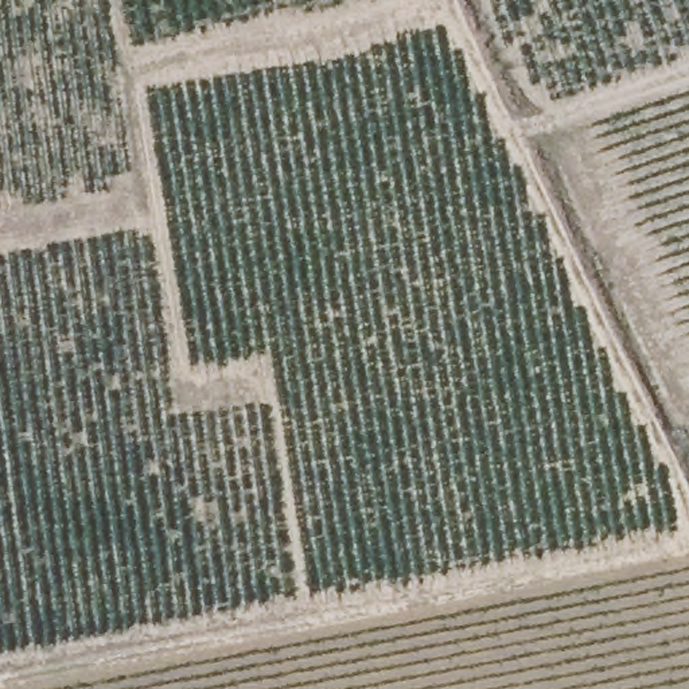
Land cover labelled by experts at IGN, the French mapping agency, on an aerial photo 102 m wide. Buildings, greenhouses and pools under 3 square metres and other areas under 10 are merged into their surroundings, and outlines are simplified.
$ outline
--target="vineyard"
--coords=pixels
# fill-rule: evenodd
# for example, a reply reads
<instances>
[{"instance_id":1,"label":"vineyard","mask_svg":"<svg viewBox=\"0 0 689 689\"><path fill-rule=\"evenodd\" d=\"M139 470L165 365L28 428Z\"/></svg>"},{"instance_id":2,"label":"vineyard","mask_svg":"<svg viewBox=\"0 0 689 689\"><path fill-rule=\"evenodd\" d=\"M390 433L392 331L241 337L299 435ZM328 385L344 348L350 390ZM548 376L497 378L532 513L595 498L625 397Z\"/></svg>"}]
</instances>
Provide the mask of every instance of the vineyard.
<instances>
[{"instance_id":1,"label":"vineyard","mask_svg":"<svg viewBox=\"0 0 689 689\"><path fill-rule=\"evenodd\" d=\"M326 635L307 635L275 646L250 646L213 657L167 662L159 667L43 689L689 689L689 565L603 579L595 584L554 589L544 595L463 606L455 611L401 622L379 622Z\"/></svg>"},{"instance_id":2,"label":"vineyard","mask_svg":"<svg viewBox=\"0 0 689 689\"><path fill-rule=\"evenodd\" d=\"M530 102L528 94L519 89L511 70L528 67L530 81L546 86L549 97L557 100L576 97L595 86L619 83L627 70L638 70L646 65L673 65L689 46L689 0L463 0L463 8L474 24L474 32L479 35L479 43L498 81L509 116L517 118L541 113L541 108Z\"/></svg>"},{"instance_id":3,"label":"vineyard","mask_svg":"<svg viewBox=\"0 0 689 689\"><path fill-rule=\"evenodd\" d=\"M624 538L624 533L646 528L676 533L678 522L667 466L654 460L646 428L632 425L627 396L614 388L606 347L592 345L587 310L576 307L571 299L568 272L563 258L552 253L546 221L541 213L530 213L522 170L509 161L506 143L501 137L493 137L484 94L471 92L463 51L449 48L444 27L417 32L409 30L390 43L374 43L363 54L350 54L331 62L261 67L218 78L180 81L170 86L153 86L148 75L140 75L135 81L126 65L135 59L143 43L172 40L194 30L207 32L213 22L250 22L272 11L328 11L342 5L342 0L0 0L0 191L16 191L27 205L67 199L73 172L83 178L86 191L110 191L116 175L132 170L126 132L135 132L140 170L148 183L151 205L148 213L135 215L135 231L110 231L102 237L51 242L40 250L13 250L0 256L0 651L54 646L57 641L121 632L132 624L191 619L213 611L215 603L218 611L234 611L248 603L266 603L275 595L293 597L296 592L307 589L361 592L369 581L382 579L409 584L409 576L471 571L490 563L503 563L514 557L517 549L522 549L525 557L544 557L549 552L565 549L592 549L595 538Z\"/></svg>"},{"instance_id":4,"label":"vineyard","mask_svg":"<svg viewBox=\"0 0 689 689\"><path fill-rule=\"evenodd\" d=\"M608 310L608 318L622 339L622 347L689 482L689 89L560 129L530 137L528 145L536 153L536 159L541 175L549 183L552 199L563 213L571 242L579 250L581 264Z\"/></svg>"}]
</instances>

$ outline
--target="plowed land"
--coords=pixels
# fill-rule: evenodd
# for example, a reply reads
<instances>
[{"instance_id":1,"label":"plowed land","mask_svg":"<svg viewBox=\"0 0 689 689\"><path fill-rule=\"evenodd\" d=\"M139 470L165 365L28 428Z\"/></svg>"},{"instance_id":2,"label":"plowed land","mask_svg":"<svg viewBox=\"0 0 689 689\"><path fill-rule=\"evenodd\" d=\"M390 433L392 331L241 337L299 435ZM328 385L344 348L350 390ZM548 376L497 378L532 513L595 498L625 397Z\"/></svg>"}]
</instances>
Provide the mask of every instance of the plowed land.
<instances>
[{"instance_id":1,"label":"plowed land","mask_svg":"<svg viewBox=\"0 0 689 689\"><path fill-rule=\"evenodd\" d=\"M331 62L350 54L363 54L374 43L390 43L409 30L417 32L444 27L449 48L463 51L471 92L484 94L493 137L501 137L506 143L509 161L522 170L536 159L536 153L528 145L530 137L560 129L554 113L546 113L557 100L549 97L546 86L530 81L528 67L511 70L519 89L528 94L530 102L541 108L541 113L517 118L509 116L498 81L479 43L479 35L474 32L474 24L463 8L463 0L342 0L342 5L328 11L272 11L250 22L213 22L207 32L194 30L172 40L143 43L135 59L126 65L135 81L140 75L148 75L153 86L170 86L180 81L218 78L261 67Z\"/></svg>"},{"instance_id":2,"label":"plowed land","mask_svg":"<svg viewBox=\"0 0 689 689\"><path fill-rule=\"evenodd\" d=\"M110 191L86 191L83 178L73 172L67 199L27 205L16 191L0 191L0 256L13 250L40 250L51 242L102 237L110 231L135 231L135 215L148 213L151 205L148 183L140 170L135 132L126 132L132 170L116 175Z\"/></svg>"}]
</instances>

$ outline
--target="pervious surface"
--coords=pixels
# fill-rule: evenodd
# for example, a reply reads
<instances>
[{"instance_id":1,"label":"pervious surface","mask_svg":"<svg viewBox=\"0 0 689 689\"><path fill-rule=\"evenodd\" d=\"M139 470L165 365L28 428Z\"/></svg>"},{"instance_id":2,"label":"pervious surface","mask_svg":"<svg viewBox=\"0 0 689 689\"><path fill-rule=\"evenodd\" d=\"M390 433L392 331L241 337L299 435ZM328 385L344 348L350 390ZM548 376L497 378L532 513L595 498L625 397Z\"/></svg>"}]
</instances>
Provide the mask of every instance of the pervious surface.
<instances>
[{"instance_id":1,"label":"pervious surface","mask_svg":"<svg viewBox=\"0 0 689 689\"><path fill-rule=\"evenodd\" d=\"M673 65L646 65L638 70L627 70L619 83L595 86L576 97L557 100L546 113L554 113L560 129L689 89L689 46Z\"/></svg>"},{"instance_id":2,"label":"pervious surface","mask_svg":"<svg viewBox=\"0 0 689 689\"><path fill-rule=\"evenodd\" d=\"M361 592L307 589L296 592L293 597L275 595L266 603L248 603L234 611L218 611L215 603L213 611L191 619L132 624L121 632L57 641L54 646L0 651L0 689L43 689L159 667L167 662L213 657L250 646L275 646L307 635L326 635L379 622L401 622L455 611L463 606L544 595L554 589L595 584L603 579L689 565L689 482L622 347L622 339L608 318L608 310L581 264L579 250L571 242L563 213L552 199L549 183L541 175L536 159L522 170L530 213L541 213L546 221L552 253L563 258L568 272L571 299L576 307L587 310L592 345L606 347L614 388L627 396L632 425L646 428L654 460L667 466L678 522L676 533L646 528L624 533L624 538L595 538L592 549L565 549L549 552L544 557L525 557L522 549L517 549L514 557L503 563L490 563L471 571L409 576L409 584L382 579L369 581Z\"/></svg>"}]
</instances>

